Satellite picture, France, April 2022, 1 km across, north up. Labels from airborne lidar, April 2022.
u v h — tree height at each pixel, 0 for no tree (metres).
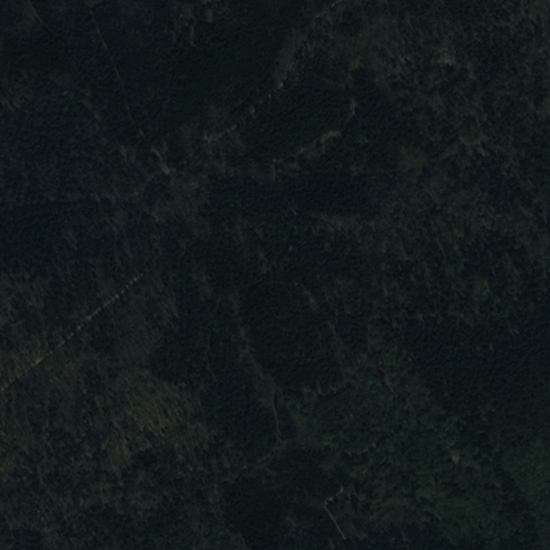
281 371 28
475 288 23
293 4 20
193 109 20
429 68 26
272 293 21
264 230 21
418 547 26
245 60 22
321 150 16
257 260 29
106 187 27
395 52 15
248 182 25
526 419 20
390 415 20
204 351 26
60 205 29
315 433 18
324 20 21
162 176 21
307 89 22
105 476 26
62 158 32
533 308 20
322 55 24
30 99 28
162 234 29
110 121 14
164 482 18
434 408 21
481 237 25
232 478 18
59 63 18
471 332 24
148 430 11
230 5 17
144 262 34
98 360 32
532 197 13
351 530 8
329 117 20
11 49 18
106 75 21
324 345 21
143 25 12
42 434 30
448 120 24
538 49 25
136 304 27
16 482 35
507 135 30
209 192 18
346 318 22
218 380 19
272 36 22
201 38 18
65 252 17
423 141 19
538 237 38
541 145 19
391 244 27
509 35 9
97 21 13
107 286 32
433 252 33
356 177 20
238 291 20
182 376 32
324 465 16
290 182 27
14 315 26
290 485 12
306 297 23
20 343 29
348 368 17
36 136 31
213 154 10
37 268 12
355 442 21
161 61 6
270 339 21
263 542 14
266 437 22
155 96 10
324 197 24
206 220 18
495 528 26
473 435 26
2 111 26
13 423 32
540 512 21
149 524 22
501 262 27
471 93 29
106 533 22
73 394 33
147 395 21
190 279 36
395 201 21
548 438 22
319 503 15
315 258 33
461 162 25
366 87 17
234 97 19
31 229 26
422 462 19
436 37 22
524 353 25
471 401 21
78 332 40
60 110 29
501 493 28
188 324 24
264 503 15
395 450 18
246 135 20
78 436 26
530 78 27
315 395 18
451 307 25
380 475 13
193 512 20
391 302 22
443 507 22
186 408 24
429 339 27
